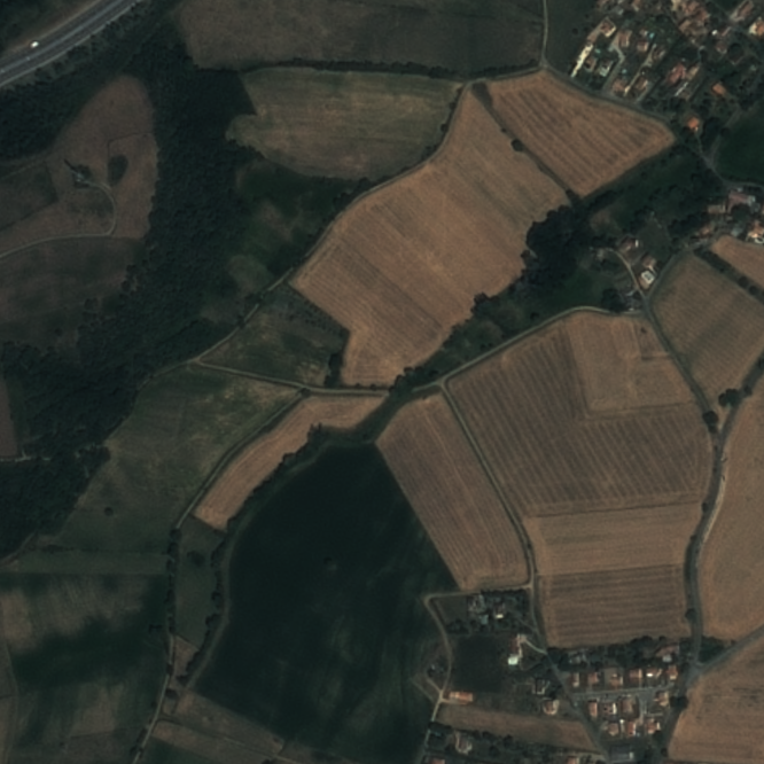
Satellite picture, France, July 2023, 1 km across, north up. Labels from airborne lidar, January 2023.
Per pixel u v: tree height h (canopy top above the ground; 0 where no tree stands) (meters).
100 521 0
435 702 0
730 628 0
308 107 0
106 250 0
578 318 0
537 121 0
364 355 0
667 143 0
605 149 0
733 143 0
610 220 0
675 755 0
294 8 0
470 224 0
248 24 0
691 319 0
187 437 0
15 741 0
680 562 0
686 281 0
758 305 0
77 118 0
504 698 0
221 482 0
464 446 0
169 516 0
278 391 0
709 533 0
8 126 9
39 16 0
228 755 0
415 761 0
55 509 16
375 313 0
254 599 0
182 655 0
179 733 0
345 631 0
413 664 0
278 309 0
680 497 0
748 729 0
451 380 0
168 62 14
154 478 0
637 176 0
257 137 0
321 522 0
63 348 0
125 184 0
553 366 0
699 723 0
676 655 10
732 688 0
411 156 0
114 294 0
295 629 0
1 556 11
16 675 0
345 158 0
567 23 0
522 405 0
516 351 0
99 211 0
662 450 0
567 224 26
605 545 0
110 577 0
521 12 0
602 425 0
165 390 0
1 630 0
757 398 0
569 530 0
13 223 0
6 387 0
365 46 0
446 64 0
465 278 0
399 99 0
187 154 19
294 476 0
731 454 0
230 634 0
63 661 0
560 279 21
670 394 0
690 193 8
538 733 0
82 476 11
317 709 0
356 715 0
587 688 0
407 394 15
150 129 0
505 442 0
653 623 0
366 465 0
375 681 0
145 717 0
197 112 16
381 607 0
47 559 0
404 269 0
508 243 0
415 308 0
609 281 0
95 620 0
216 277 11
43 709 0
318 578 0
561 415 0
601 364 0
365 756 0
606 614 0
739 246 0
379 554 0
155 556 0
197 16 0
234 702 0
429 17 0
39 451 9
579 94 0
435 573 0
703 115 7
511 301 0
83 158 0
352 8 0
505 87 0
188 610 0
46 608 0
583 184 0
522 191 0
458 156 0
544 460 0
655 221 0
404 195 0
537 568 0
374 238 0
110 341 11
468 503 0
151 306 9
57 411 11
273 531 0
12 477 8
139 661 0
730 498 0
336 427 0
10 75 0
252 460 0
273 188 0
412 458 0
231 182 18
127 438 0
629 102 0
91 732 0
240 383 0
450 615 0
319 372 0
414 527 0
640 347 0
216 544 0
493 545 0
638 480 0
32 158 0
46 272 0
